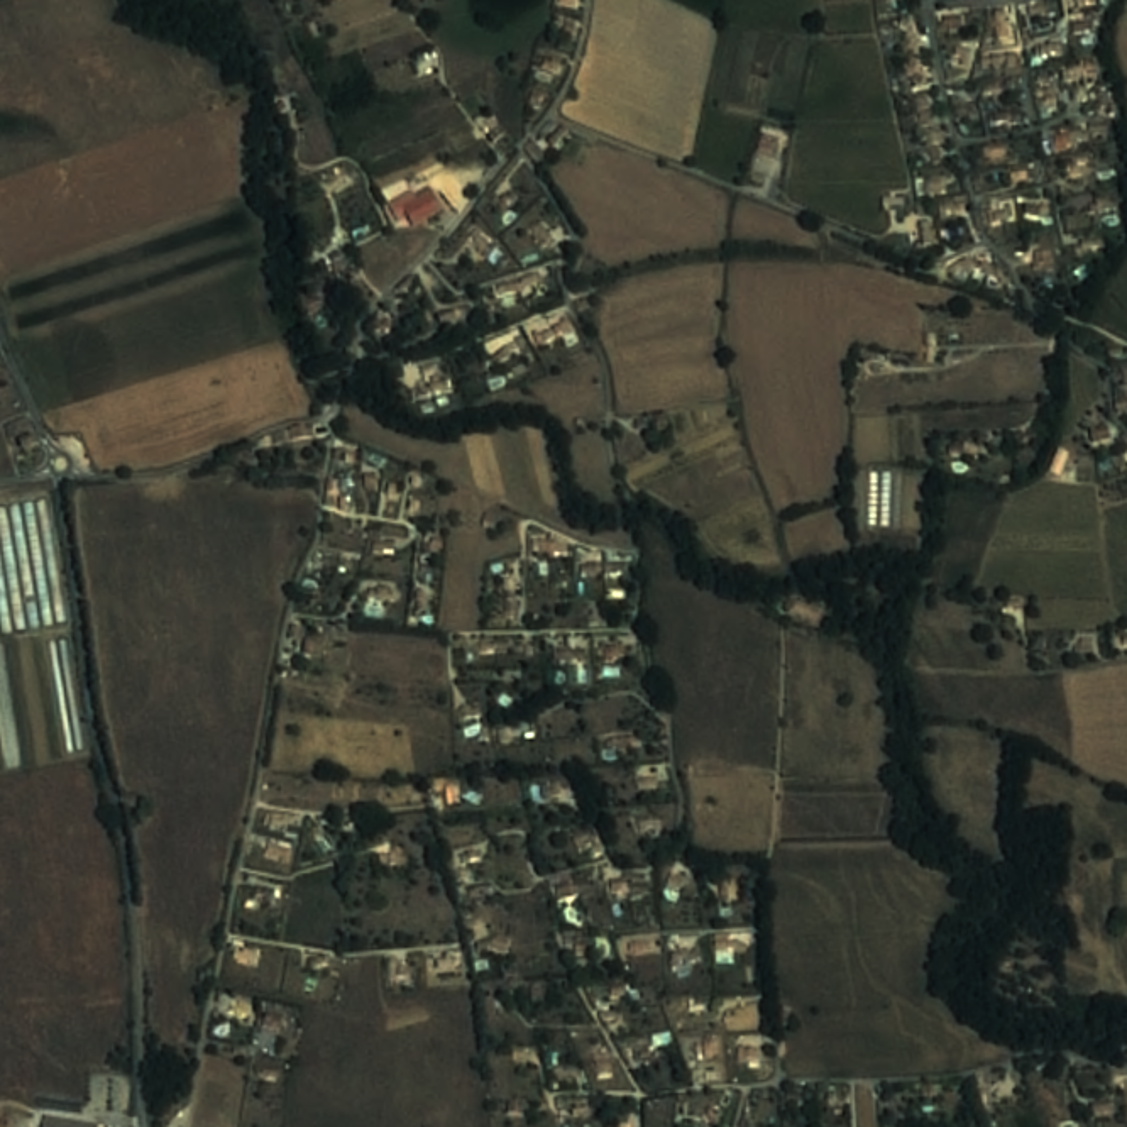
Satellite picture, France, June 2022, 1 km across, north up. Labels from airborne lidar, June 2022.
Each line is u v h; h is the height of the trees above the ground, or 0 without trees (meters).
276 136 9
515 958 6
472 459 0
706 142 0
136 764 0
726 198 0
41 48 0
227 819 0
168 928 0
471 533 0
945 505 6
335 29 8
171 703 0
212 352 0
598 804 7
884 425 0
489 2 0
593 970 6
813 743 0
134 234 0
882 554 15
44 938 0
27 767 0
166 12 6
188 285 0
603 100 0
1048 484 0
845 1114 9
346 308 27
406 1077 0
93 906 0
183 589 0
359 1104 0
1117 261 12
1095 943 0
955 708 0
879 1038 0
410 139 0
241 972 0
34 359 0
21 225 0
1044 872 14
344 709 0
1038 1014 7
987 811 0
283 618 0
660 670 17
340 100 7
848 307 0
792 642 0
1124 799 12
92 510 0
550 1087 6
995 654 19
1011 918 14
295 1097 0
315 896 0
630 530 14
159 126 0
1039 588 0
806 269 0
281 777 0
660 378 0
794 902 0
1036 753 17
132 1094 0
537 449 0
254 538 0
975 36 7
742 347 0
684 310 0
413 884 8
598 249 0
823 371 0
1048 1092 0
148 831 0
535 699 15
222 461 13
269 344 0
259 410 0
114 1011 0
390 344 17
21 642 0
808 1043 0
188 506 0
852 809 0
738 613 0
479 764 8
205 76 0
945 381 0
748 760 0
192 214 0
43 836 0
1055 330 17
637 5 0
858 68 0
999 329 0
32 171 0
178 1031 0
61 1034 0
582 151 0
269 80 10
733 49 0
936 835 14
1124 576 0
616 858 15
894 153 0
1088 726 0
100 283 0
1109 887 0
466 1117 0
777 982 12
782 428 0
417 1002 0
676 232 0
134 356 0
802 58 0
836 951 0
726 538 0
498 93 0
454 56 0
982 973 11
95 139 0
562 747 0
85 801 0
